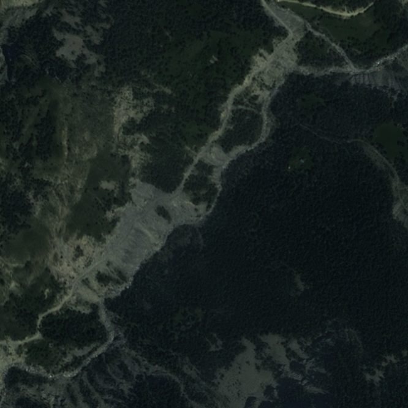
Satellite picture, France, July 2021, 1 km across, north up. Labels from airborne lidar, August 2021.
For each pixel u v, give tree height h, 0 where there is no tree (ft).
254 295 50
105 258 0
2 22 0
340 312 40
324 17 20
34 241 0
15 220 36
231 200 45
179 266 25
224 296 29
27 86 29
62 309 25
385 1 55
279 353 0
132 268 0
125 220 0
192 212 0
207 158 0
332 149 37
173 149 26
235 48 29
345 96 42
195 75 23
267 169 40
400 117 59
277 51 0
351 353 66
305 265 54
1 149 0
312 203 82
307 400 27
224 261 68
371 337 42
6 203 39
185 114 47
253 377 0
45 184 24
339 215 60
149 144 22
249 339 49
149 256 0
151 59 51
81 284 0
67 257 0
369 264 62
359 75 0
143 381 25
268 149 23
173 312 77
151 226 0
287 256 58
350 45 42
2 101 43
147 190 0
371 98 34
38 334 0
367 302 61
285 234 59
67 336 44
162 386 42
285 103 31
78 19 0
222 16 34
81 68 49
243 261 60
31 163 32
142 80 23
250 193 52
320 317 31
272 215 75
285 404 33
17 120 21
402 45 60
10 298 25
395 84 0
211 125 48
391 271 90
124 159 26
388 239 75
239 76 26
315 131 41
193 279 55
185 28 75
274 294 48
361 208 71
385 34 0
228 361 27
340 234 72
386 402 35
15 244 0
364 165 62
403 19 31
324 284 74
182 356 24
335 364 62
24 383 25
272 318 79
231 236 61
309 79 39
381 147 54
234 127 27
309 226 86
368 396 57
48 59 45
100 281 21
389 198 39
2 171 25
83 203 0
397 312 75
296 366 31
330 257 67
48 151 33
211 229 40
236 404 0
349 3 25
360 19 0
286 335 24
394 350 67
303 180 62
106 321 0
